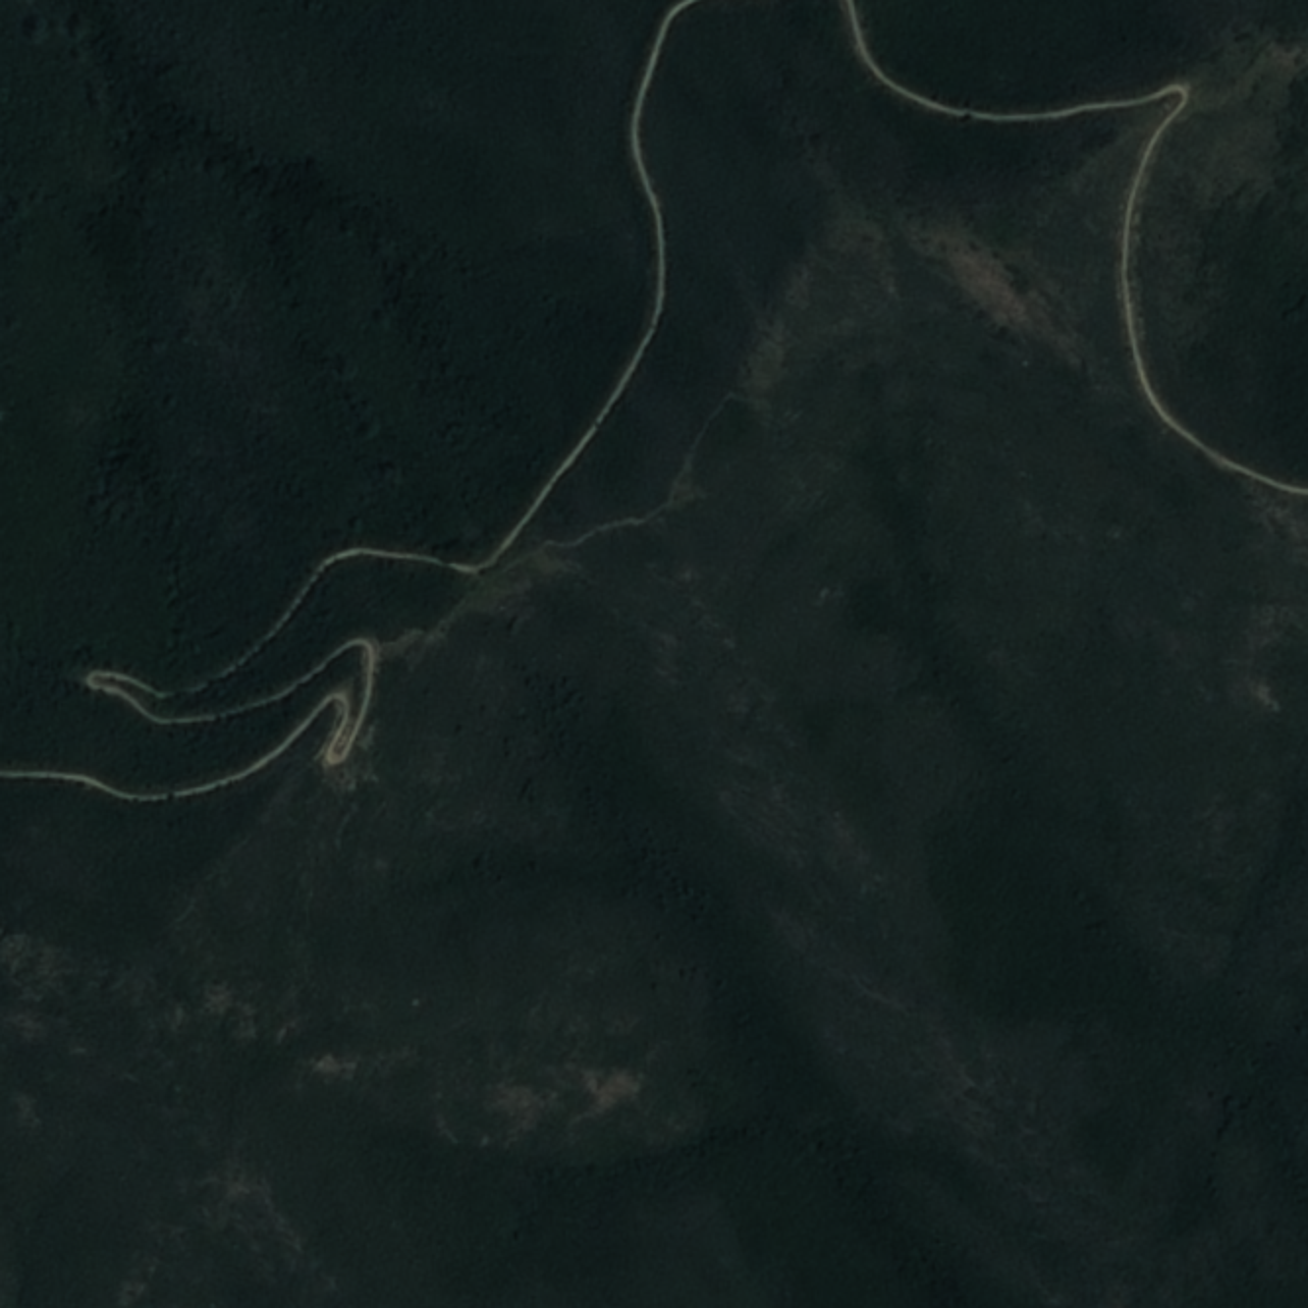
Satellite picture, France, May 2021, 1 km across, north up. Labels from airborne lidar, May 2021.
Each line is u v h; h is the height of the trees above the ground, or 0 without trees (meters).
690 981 10
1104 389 0
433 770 0
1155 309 0
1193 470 0
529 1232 5
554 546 0
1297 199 6
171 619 8
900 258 0
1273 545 0
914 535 9
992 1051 0
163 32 6
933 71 7
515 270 5
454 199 6
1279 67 0
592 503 0
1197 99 0
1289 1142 6
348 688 0
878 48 5
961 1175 5
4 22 7
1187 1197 6
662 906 11
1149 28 6
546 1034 0
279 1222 0
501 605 0
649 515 0
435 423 8
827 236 0
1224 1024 11
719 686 0
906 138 6
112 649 7
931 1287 10
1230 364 6
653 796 5
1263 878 6
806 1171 7
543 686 12
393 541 6
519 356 6
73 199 7
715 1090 6
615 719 6
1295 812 6
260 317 6
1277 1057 8
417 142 5
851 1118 6
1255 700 0
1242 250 6
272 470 6
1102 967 6
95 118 7
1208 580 0
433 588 6
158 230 6
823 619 0
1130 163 0
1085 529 0
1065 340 0
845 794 0
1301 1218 6
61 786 6
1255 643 0
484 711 9
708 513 0
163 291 7
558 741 12
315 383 10
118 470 22
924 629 8
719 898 6
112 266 17
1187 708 0
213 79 6
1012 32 5
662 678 0
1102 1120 6
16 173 8
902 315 0
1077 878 6
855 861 0
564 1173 6
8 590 7
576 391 7
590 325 7
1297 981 5
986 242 0
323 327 7
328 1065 0
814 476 0
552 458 6
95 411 5
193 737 7
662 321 6
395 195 6
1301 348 6
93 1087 0
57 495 6
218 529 6
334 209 19
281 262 20
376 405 7
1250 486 0
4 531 6
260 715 6
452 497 7
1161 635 0
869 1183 8
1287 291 8
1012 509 0
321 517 7
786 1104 6
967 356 0
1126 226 0
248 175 19
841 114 6
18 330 6
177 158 16
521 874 6
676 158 0
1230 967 6
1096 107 0
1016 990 6
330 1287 0
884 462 6
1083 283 0
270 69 6
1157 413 0
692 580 0
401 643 0
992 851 6
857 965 0
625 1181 6
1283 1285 7
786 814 0
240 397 6
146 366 11
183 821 9
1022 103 6
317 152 6
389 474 22
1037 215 0
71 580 6
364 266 6
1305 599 0
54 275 6
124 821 5
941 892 6
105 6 13
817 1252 6
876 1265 6
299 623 6
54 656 7
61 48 6
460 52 6
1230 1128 14
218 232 8
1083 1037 6
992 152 6
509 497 6
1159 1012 6
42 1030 0
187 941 0
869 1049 0
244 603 8
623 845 7
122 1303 0
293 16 7
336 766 0
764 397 0
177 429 6
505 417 7
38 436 6
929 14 6
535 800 13
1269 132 0
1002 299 0
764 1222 6
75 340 5
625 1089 0
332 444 8
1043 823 6
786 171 0
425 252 17
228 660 6
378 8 7
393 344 7
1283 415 6
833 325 0
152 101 25
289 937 8
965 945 5
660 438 0
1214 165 0
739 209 0
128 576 5
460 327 6
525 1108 0
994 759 6
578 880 6
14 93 7
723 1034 6
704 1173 10
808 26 5
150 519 10
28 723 6
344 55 6
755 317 0
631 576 0
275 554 6
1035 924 6
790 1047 5
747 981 6
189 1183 0
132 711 6
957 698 8
